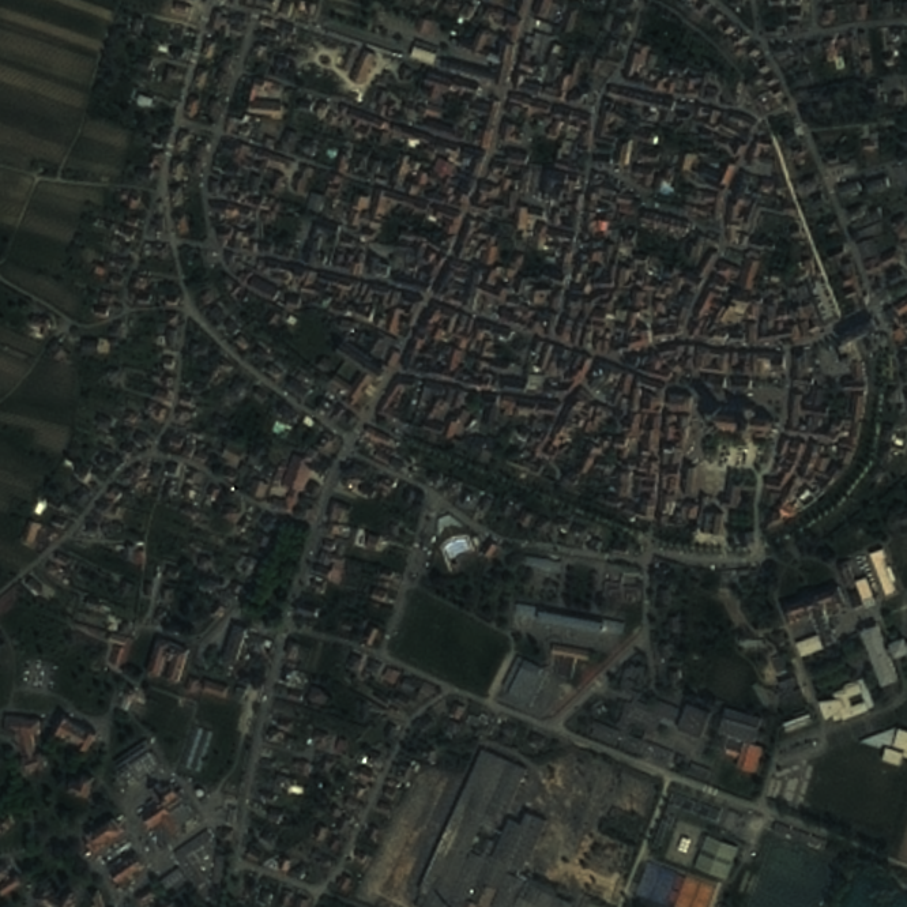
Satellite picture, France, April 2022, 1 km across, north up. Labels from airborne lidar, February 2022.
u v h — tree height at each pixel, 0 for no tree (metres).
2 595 0
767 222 0
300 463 0
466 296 0
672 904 0
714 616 0
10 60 0
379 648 7
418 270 0
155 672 0
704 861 0
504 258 9
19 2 0
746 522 10
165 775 0
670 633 11
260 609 18
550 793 0
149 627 0
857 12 0
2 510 0
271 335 9
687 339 0
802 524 7
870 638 0
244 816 0
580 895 0
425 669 0
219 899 8
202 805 0
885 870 26
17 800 13
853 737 0
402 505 0
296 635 0
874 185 0
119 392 6
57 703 0
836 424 0
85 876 14
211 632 0
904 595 0
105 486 0
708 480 0
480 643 0
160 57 0
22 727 0
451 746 9
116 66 18
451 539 0
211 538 0
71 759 16
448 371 0
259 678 16
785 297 8
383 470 0
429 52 0
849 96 15
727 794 0
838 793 0
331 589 0
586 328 0
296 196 0
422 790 0
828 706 0
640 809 0
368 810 0
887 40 0
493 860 0
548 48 0
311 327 0
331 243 7
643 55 0
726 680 0
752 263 0
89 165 0
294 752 0
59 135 0
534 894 0
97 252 0
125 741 12
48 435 0
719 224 0
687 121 0
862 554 0
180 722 0
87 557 0
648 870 0
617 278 0
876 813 0
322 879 0
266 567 18
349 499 0
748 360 0
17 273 0
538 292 0
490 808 0
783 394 0
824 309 0
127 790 0
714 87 0
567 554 0
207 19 0
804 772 0
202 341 6
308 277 0
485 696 0
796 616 0
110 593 5
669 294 0
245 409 7
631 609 0
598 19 8
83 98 0
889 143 6
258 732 0
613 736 0
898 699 0
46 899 0
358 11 0
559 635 0
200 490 0
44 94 0
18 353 0
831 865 0
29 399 0
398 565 0
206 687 0
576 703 0
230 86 0
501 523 8
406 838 0
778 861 0
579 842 0
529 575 10
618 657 0
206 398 12
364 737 0
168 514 0
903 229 0
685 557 0
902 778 0
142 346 12
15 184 0
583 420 0
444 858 0
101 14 0
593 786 0
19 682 0
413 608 0
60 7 0
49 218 0
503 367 0
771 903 0
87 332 0
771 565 10
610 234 0
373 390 0
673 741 0
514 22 0
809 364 0
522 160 0
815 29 0
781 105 0
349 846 0
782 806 13
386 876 0
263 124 0
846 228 0
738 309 0
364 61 0
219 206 0
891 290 10
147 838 0
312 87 8
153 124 0
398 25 0
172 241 0
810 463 0
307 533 17
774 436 0
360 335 0
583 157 10
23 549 0
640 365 0
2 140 0
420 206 0
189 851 0
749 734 0
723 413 0
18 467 0
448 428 0
